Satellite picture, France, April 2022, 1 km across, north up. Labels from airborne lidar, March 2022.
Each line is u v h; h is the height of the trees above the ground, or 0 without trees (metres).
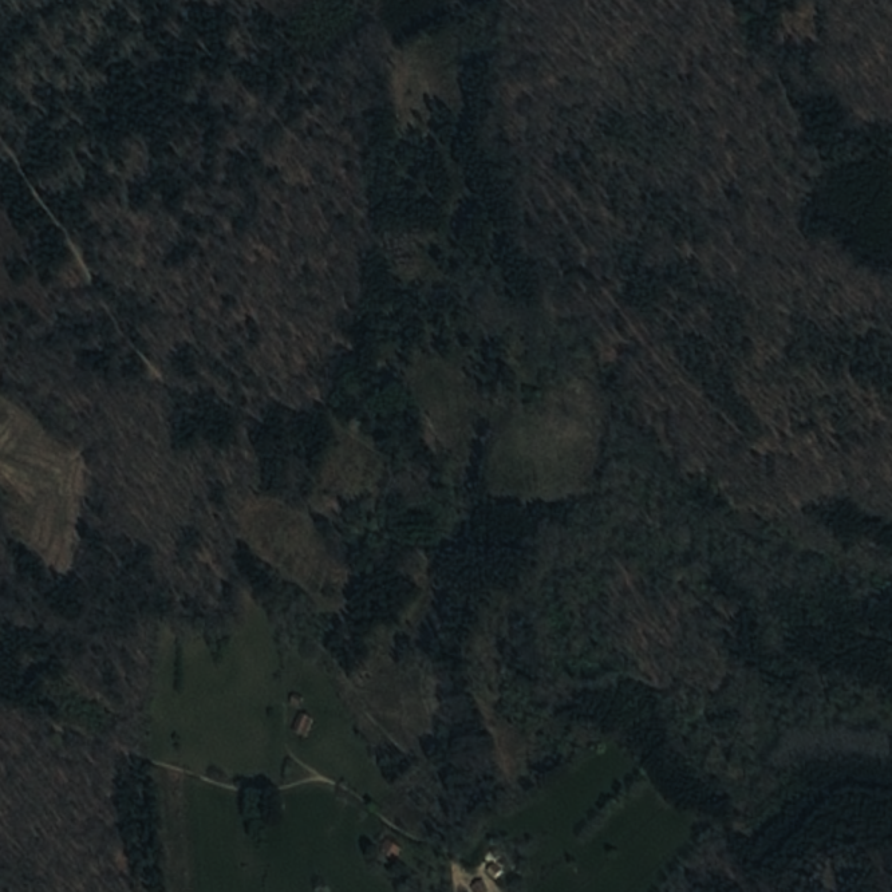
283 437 26
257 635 0
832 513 21
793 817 12
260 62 26
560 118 25
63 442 25
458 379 0
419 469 30
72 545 0
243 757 0
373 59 33
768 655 17
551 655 22
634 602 24
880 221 11
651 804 0
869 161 10
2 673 27
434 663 29
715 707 14
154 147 21
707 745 21
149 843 21
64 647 25
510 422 0
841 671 13
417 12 7
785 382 17
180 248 27
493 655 0
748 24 21
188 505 25
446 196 32
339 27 14
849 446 19
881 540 18
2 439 0
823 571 24
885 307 23
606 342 29
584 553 22
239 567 25
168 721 0
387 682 0
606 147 19
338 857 0
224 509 26
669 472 24
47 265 23
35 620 29
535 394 8
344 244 29
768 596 21
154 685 23
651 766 19
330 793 0
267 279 24
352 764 0
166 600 23
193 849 0
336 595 8
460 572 31
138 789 22
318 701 0
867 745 24
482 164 29
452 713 26
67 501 0
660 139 18
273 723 0
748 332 25
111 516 28
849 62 26
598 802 0
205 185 23
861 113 27
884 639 15
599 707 12
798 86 27
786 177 24
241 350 25
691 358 24
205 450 22
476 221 34
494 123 35
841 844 24
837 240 21
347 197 29
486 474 31
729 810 21
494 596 32
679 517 21
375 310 30
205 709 0
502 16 30
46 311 14
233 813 0
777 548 14
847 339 25
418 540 19
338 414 26
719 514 21
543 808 0
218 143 27
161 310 23
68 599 25
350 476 0
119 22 29
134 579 23
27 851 25
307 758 0
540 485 0
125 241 23
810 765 14
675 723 14
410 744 0
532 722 20
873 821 25
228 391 22
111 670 25
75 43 24
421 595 32
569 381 22
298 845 0
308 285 27
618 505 24
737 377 28
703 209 26
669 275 22
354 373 37
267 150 26
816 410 17
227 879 0
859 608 15
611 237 22
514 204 25
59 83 25
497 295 23
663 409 27
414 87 0
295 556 0
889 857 19
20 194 23
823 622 15
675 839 0
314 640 20
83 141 27
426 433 34
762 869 18
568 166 23
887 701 12
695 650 27
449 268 32
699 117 22
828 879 28
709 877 22
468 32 20
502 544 23
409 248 32
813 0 30
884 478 32
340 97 31
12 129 23
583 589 22
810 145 9
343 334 25
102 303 23
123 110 23
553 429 0
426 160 29
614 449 21
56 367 31
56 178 21
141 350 26
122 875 29
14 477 0
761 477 23
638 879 0
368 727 0
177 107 21
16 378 29
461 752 32
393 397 36
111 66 23
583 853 0
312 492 31
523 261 31
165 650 21
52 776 24
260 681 0
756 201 26
